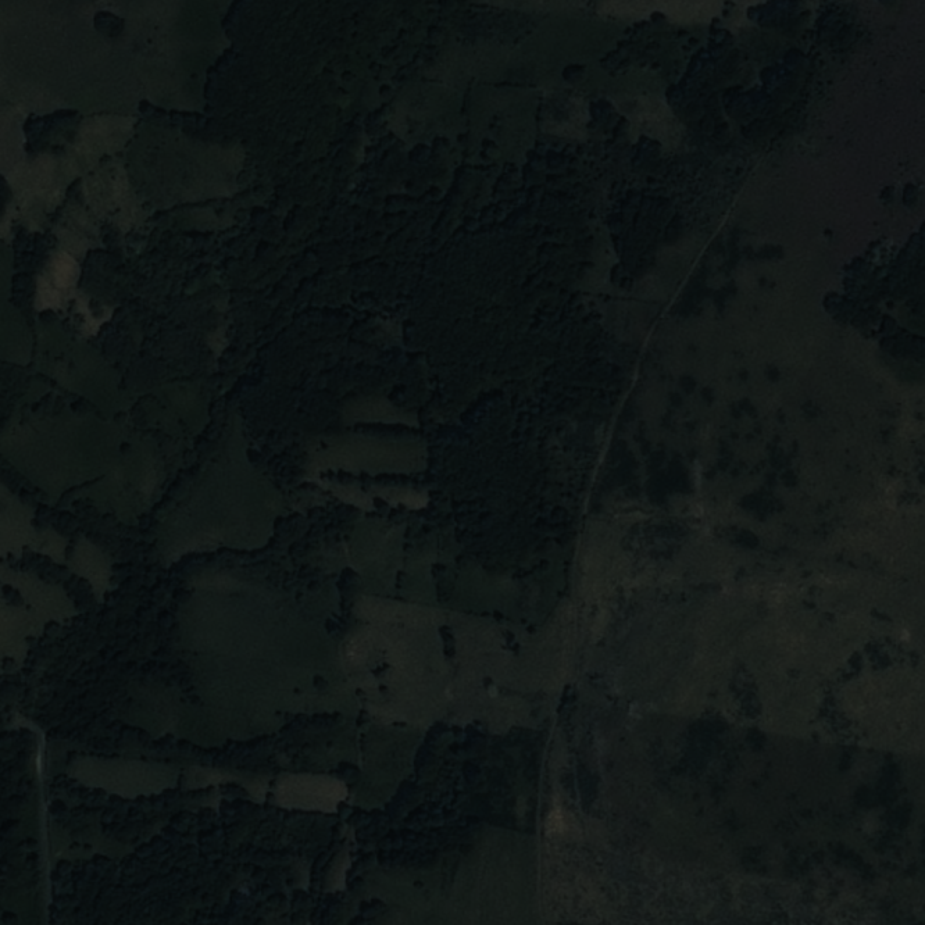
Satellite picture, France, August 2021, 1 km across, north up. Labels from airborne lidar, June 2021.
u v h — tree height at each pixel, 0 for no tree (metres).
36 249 13
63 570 13
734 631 0
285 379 19
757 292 0
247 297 11
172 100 0
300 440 16
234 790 10
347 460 0
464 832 16
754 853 0
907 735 0
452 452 22
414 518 10
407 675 0
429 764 20
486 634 0
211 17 0
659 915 0
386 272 20
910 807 0
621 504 0
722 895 0
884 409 0
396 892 0
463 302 17
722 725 0
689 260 0
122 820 13
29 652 7
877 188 0
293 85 23
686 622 0
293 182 24
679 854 0
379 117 12
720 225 0
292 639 0
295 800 0
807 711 0
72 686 24
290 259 6
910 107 0
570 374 17
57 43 0
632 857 0
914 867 0
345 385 20
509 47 0
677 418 0
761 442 0
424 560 0
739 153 0
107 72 0
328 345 15
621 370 10
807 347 0
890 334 10
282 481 8
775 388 0
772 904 0
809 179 0
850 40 10
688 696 0
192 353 17
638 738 0
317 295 21
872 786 0
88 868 10
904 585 0
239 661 0
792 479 0
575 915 0
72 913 15
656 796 0
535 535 15
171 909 22
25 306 15
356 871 7
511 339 18
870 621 0
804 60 16
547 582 0
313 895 9
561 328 16
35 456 0
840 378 0
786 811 0
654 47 6
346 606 8
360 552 0
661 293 0
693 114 18
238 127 17
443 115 0
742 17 0
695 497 0
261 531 0
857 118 0
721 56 21
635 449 0
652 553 0
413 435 13
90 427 0
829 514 0
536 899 0
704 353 0
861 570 0
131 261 9
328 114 22
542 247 12
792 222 0
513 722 0
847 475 0
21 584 0
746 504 0
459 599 0
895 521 0
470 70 0
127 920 18
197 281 18
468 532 19
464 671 0
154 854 16
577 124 0
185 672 8
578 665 0
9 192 15
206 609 0
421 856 17
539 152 7
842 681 0
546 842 0
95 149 0
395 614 0
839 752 0
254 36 19
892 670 0
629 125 10
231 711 0
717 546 0
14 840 20
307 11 23
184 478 14
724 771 0
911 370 0
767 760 0
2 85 0
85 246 0
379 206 16
